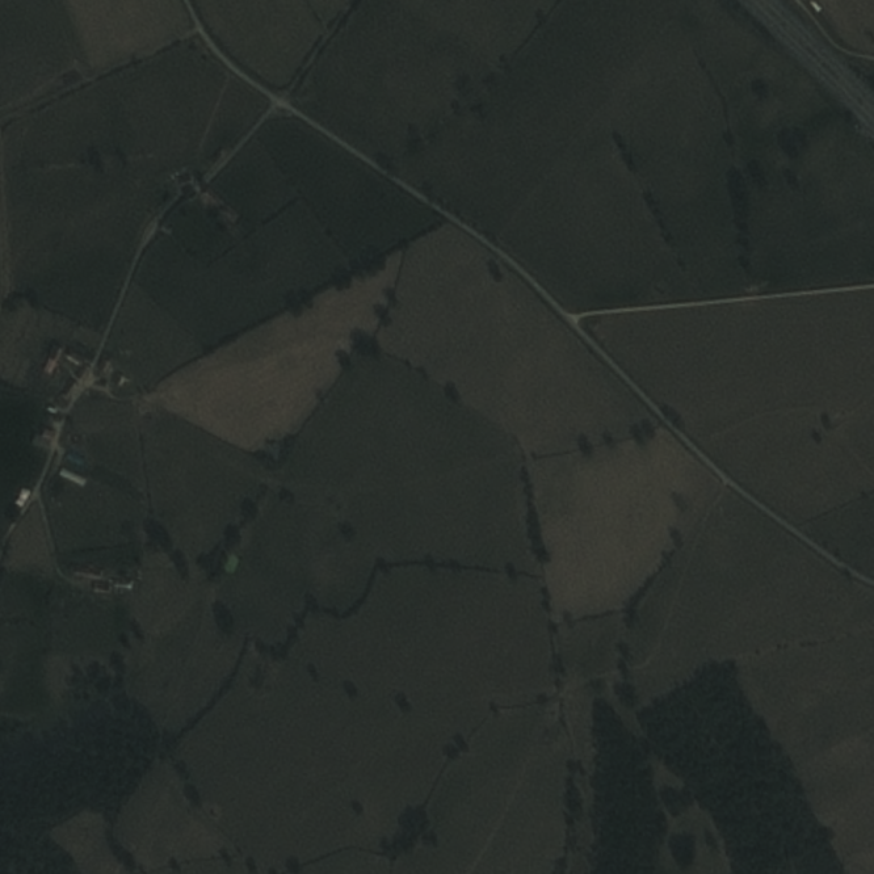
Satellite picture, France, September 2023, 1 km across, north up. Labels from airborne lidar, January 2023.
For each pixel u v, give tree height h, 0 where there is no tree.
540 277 0
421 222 0
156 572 0
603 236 0
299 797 0
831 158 0
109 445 0
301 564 0
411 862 0
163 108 0
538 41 0
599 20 0
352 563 0
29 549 0
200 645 0
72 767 18
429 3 0
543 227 0
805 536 0
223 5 0
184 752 0
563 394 0
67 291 0
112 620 0
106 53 0
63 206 0
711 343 0
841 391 0
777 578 0
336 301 0
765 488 0
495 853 0
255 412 0
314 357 0
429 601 0
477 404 0
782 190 0
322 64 0
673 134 0
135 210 0
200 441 0
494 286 0
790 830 10
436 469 0
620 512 0
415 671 0
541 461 0
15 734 8
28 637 0
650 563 0
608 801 14
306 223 0
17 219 0
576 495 0
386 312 12
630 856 15
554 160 0
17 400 0
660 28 0
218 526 0
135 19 0
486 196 0
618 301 0
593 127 0
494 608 0
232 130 0
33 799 15
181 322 0
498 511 0
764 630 0
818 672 0
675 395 0
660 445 0
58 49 0
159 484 0
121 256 0
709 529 0
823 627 0
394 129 0
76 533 0
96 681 7
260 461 6
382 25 0
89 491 0
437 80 0
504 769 0
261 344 0
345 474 0
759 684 0
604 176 0
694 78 0
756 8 0
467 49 0
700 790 6
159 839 0
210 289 0
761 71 0
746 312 0
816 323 0
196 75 0
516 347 0
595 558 0
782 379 0
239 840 0
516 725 0
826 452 0
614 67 0
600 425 0
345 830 0
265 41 0
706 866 0
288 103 0
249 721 0
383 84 0
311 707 0
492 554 0
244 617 0
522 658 0
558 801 0
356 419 0
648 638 0
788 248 0
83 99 0
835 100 0
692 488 0
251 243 0
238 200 0
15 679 0
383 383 0
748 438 0
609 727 10
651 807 14
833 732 0
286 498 9
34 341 0
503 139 0
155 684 0
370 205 0
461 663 0
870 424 0
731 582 0
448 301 0
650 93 0
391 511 0
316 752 0
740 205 18
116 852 13
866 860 0
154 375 0
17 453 0
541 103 0
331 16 0
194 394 0
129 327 0
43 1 0
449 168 0
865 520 0
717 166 0
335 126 0
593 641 0
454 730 0
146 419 0
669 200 0
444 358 0
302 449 0
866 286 0
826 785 0
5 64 0
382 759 0
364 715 0
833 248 0
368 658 0
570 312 0
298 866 12
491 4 0
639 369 0
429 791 0
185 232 0
